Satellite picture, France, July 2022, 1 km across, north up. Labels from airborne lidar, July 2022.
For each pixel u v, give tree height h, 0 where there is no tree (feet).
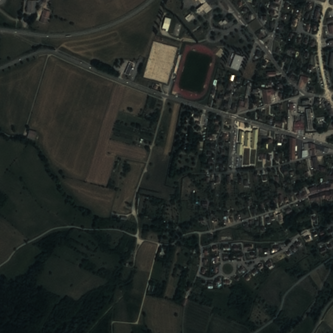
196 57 0
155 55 0
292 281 0
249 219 0
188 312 0
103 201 0
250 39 28
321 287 0
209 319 0
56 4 0
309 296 0
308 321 0
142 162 0
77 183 0
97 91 0
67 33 0
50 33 0
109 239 19
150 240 0
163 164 0
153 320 0
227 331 0
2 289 86
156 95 0
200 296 22
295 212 55
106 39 0
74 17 0
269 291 0
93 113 0
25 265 0
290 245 0
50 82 0
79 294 0
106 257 0
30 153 0
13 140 46
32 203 0
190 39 0
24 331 50
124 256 31
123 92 0
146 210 20
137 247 0
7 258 0
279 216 0
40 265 70
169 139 0
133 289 0
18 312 52
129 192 0
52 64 0
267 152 0
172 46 0
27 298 76
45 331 48
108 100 0
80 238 19
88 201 0
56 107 0
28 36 0
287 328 42
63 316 38
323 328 0
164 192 0
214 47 0
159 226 21
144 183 0
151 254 0
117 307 0
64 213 0
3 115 0
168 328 0
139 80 0
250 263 19
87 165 0
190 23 0
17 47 0
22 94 0
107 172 0
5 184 0
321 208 45
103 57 0
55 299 26
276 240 0
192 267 0
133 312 0
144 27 0
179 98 0
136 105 0
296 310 0
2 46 0
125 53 0
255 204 27
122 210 0
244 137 0
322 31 0
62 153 0
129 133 0
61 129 0
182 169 39
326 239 40
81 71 0
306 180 25
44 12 0
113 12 0
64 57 0
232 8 0
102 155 0
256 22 0
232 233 0
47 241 29
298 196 0
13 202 0
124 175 32
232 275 0
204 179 20
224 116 0
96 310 19
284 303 0
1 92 0
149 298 0
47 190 0
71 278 0
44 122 0
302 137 0
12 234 0
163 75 0
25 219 0
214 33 41
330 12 0
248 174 0
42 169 0
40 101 0
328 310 0
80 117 0
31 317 59
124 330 0
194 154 30
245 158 0
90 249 20
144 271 0
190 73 0
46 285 0
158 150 0
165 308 0
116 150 0
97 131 0
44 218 0
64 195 49
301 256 0
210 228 0
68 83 0
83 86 0
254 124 0
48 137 0
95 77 0
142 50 0
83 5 0
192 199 24
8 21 0
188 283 35
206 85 0
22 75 0
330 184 0
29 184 0
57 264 0
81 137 0
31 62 0
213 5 0
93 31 0
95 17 0
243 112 0
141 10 0
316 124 30
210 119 26
